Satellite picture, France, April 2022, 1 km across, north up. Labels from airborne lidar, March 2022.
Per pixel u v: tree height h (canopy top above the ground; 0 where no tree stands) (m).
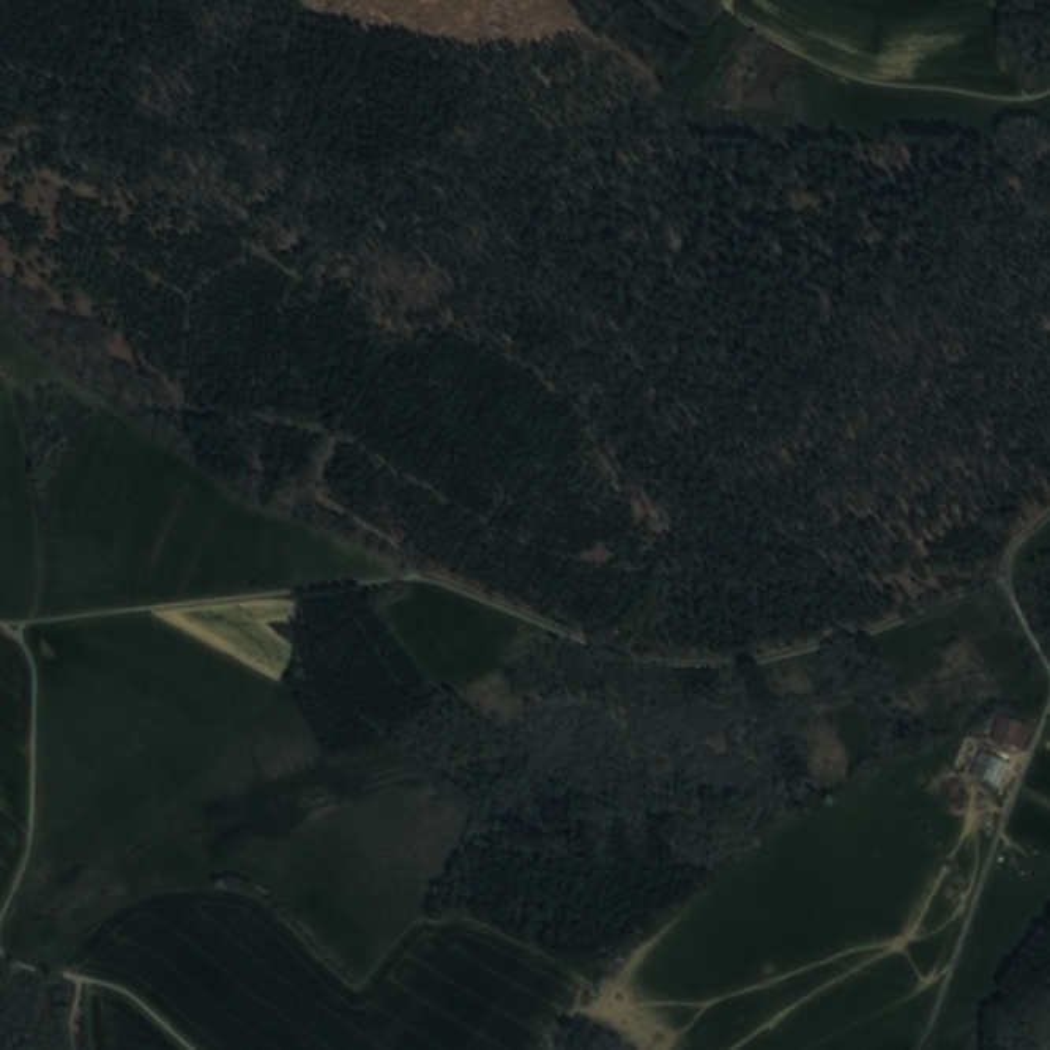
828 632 21
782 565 21
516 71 18
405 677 18
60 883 0
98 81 22
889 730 17
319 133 23
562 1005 0
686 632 23
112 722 0
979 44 0
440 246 19
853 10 0
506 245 21
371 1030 0
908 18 0
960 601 21
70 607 0
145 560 0
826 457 22
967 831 0
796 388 19
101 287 13
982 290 20
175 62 19
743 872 0
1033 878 0
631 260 34
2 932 0
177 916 0
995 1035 21
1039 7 9
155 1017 0
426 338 17
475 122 21
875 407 19
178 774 0
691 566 22
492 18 0
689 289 20
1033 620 11
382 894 0
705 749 6
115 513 0
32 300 18
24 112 25
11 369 0
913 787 0
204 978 0
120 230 8
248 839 0
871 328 20
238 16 17
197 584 0
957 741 0
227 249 8
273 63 20
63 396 14
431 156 20
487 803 10
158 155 23
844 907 0
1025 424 22
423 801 0
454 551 9
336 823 0
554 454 12
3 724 0
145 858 0
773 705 17
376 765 0
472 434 9
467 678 0
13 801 0
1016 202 21
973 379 19
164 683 0
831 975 0
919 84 0
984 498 24
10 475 0
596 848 23
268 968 0
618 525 7
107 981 0
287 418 9
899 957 0
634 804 18
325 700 18
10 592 0
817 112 0
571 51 21
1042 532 0
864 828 0
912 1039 0
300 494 19
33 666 0
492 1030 0
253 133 22
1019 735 0
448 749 23
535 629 0
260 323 12
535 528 8
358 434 8
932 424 21
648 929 19
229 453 23
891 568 17
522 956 0
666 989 0
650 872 19
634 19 23
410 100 18
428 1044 0
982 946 0
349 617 18
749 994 0
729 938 0
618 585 6
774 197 25
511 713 0
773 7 0
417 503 8
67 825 0
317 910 0
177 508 0
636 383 19
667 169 24
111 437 0
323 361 6
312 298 19
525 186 20
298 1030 0
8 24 17
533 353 16
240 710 0
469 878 19
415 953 0
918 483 18
